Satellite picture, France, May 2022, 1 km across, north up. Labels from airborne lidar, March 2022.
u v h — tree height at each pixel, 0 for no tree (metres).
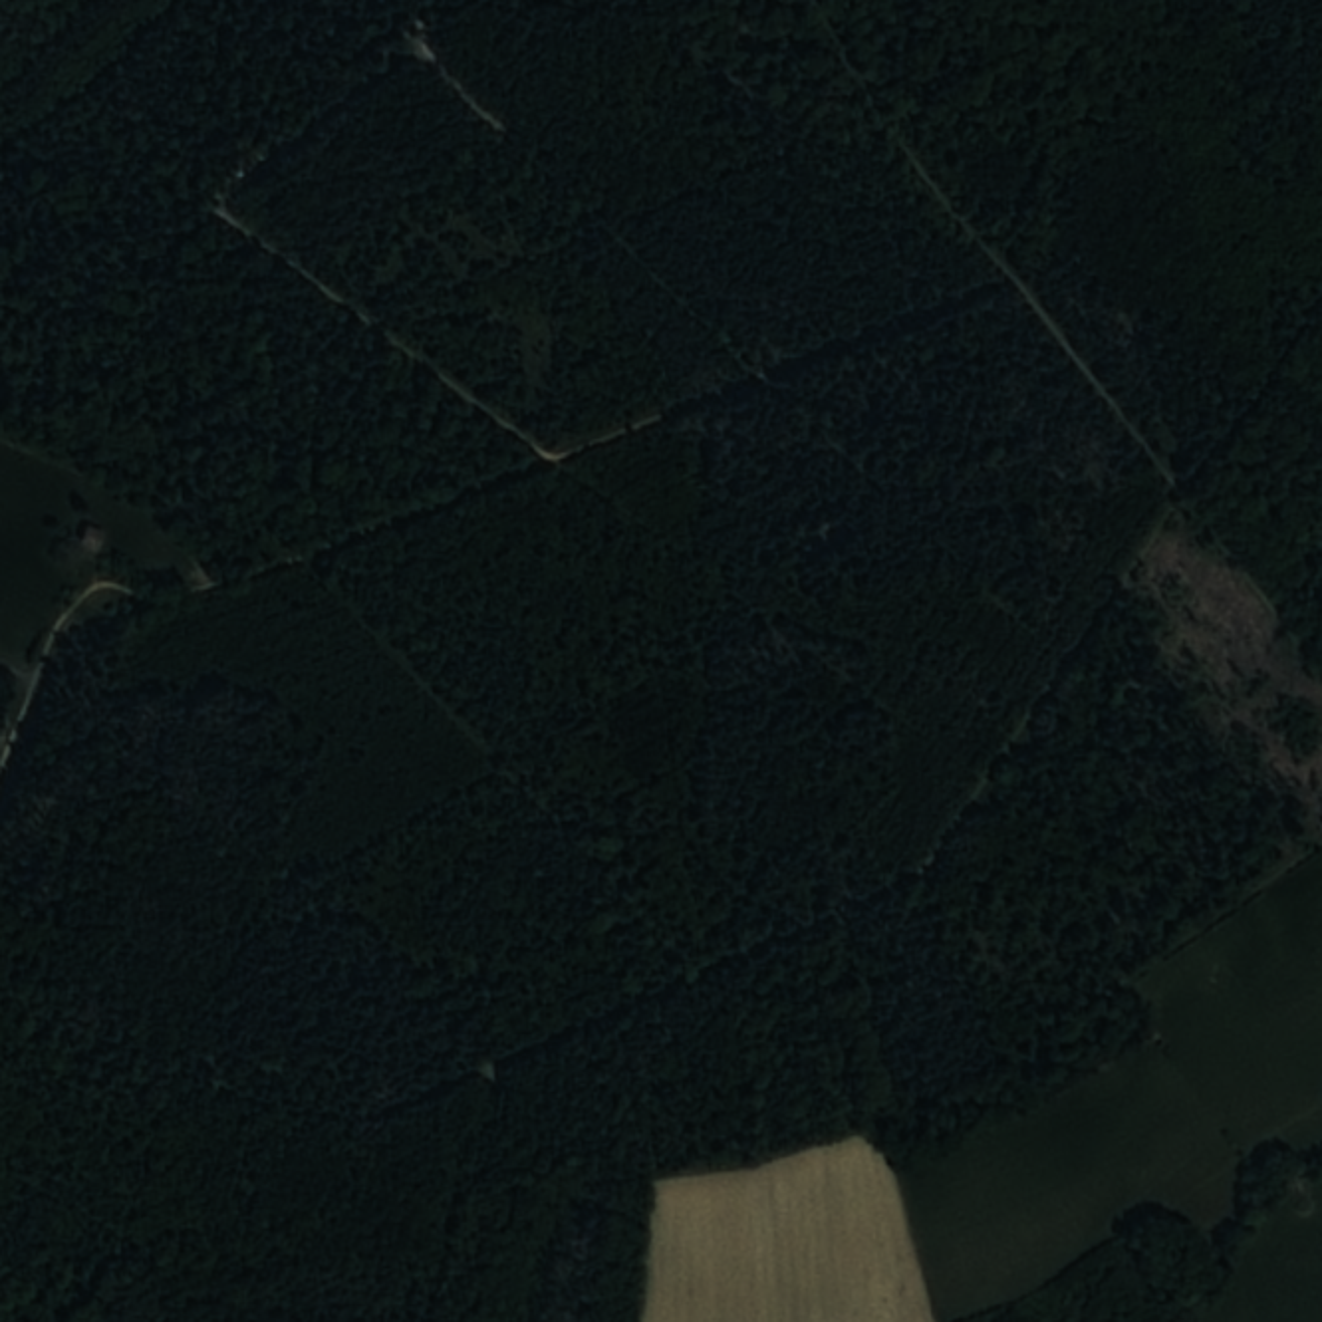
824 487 27
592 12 24
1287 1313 0
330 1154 18
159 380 14
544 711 13
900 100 24
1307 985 0
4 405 30
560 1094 19
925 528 21
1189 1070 0
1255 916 0
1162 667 29
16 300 28
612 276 20
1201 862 34
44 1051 10
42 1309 24
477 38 18
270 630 9
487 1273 30
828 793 15
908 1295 0
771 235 25
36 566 0
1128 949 8
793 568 15
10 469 0
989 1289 0
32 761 25
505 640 18
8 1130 8
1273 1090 0
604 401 16
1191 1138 0
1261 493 18
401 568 16
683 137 22
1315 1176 22
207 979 22
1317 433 20
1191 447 24
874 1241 0
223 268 18
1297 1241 0
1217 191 17
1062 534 6
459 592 11
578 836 24
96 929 20
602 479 13
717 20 26
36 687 0
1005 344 25
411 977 26
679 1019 21
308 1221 18
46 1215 16
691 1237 0
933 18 25
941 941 26
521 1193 19
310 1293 18
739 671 20
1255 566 25
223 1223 15
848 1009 29
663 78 18
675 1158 12
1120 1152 0
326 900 26
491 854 18
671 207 22
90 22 23
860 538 24
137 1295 22
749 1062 23
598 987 15
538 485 15
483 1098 16
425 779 7
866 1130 23
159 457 21
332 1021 29
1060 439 27
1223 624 0
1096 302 25
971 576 18
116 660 25
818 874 24
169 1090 23
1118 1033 28
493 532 12
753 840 21
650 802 13
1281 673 0
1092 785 27
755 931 22
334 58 16
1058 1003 7
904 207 20
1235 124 15
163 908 19
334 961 26
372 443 26
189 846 19
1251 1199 20
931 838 10
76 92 15
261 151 17
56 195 28
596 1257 23
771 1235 0
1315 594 14
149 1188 10
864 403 17
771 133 31
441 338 11
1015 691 7
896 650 9
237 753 23
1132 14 24
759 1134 25
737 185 23
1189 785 27
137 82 27
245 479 26
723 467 26
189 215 23
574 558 15
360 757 15
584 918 19
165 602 25
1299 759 11
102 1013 17
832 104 29
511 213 12
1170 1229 29
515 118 20
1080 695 17
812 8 29
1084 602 8
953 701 7
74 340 26
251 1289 19
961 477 30
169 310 22
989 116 23
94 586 0
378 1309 15
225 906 23
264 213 15
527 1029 17
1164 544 0
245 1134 17
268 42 36
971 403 22
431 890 16
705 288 26
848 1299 0
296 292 22
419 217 19
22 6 22
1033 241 21
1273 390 22
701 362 17
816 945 24
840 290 25
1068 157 19
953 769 9
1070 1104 0
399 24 20
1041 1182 0
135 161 25
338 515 13
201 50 19
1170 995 0
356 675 7
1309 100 18
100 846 15
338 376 11
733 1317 0
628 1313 14
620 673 18
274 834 19
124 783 19
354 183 21
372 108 18
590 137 16
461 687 12
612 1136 19
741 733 22
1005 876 14
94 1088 25
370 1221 20
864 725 20
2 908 11
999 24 25
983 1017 28
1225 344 21
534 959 14
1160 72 15
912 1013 30
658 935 10
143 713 26
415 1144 19
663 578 12
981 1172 0
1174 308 20
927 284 23
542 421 15
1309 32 20
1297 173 21
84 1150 12
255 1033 29
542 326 0
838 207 14
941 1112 31
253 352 21
